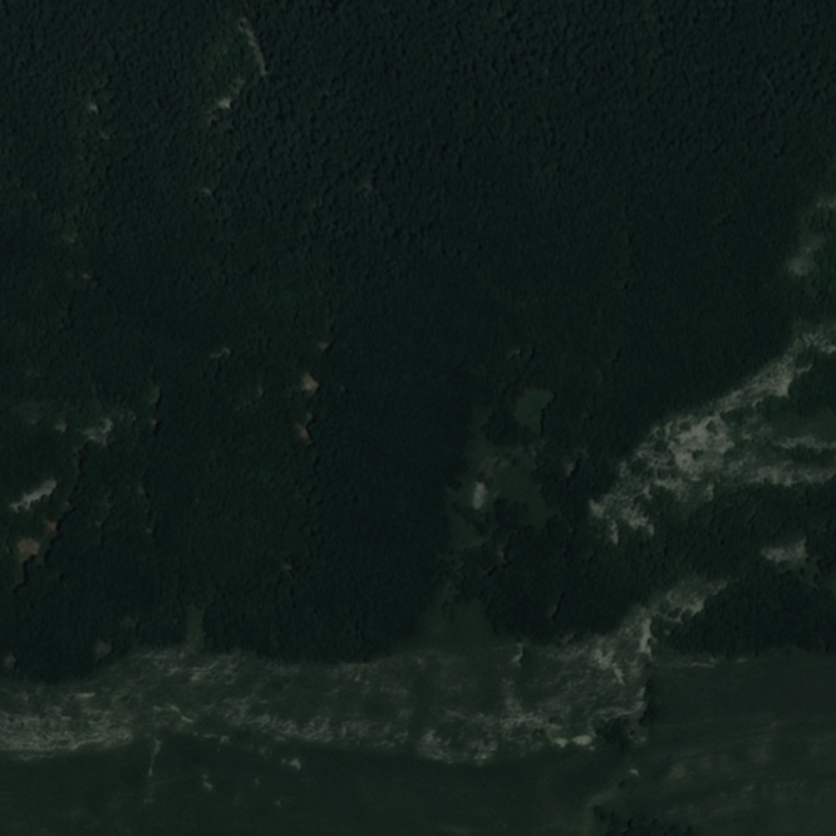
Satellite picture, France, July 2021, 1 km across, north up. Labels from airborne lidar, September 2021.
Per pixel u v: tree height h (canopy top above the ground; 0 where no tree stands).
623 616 10
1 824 0
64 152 13
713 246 23
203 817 0
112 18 16
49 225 9
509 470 0
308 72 15
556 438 13
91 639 11
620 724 15
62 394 9
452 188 13
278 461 15
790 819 0
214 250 16
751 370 10
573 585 19
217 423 13
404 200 20
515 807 0
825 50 21
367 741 0
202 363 13
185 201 14
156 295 13
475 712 0
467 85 18
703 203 17
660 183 18
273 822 0
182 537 11
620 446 11
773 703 0
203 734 0
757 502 7
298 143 24
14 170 15
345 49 16
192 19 19
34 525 14
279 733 0
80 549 14
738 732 0
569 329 15
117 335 13
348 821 0
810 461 8
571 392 15
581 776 0
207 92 13
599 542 12
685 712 0
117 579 15
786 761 0
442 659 0
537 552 19
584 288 16
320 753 0
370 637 12
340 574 16
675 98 21
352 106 22
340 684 0
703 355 19
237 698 0
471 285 12
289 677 0
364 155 16
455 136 17
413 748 0
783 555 6
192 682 0
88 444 15
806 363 13
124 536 14
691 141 16
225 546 17
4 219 14
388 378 13
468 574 15
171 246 12
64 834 0
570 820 0
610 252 19
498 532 9
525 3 27
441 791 0
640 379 14
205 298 6
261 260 10
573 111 17
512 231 15
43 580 15
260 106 17
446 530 9
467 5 16
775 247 12
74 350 13
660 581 9
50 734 0
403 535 14
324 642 10
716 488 6
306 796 0
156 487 11
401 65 15
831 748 0
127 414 7
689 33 18
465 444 8
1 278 11
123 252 10
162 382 8
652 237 13
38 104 11
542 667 0
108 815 0
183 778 0
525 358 20
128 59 14
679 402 12
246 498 18
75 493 10
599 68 19
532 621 15
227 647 8
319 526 15
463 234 15
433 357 11
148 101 16
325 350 9
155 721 0
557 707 0
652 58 22
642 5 21
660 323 15
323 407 16
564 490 14
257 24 18
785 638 17
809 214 9
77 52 17
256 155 22
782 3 20
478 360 7
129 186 13
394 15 14
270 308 12
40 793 0
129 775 0
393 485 13
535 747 0
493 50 17
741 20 22
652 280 14
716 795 0
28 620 15
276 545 16
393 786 0
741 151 19
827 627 16
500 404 13
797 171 17
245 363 13
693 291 19
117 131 20
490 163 14
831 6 19
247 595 15
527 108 18
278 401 14
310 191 14
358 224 18
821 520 10
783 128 19
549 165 22
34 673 9
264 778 0
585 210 18
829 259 10
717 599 14
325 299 11
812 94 21
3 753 0
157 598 8
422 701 0
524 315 19
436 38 14
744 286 18
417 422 13
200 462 14
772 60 21
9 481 14
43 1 14
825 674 0
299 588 15
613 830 14
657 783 0
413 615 10
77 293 12
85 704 0
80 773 0
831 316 9
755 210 17
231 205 17
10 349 16
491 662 0
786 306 16
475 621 0
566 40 19
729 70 13
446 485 7
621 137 17
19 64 17
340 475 15
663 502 9
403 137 17
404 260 10
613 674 0
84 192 18
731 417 9
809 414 8
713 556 17
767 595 14
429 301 12
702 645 11
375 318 17
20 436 15
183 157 17
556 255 18
